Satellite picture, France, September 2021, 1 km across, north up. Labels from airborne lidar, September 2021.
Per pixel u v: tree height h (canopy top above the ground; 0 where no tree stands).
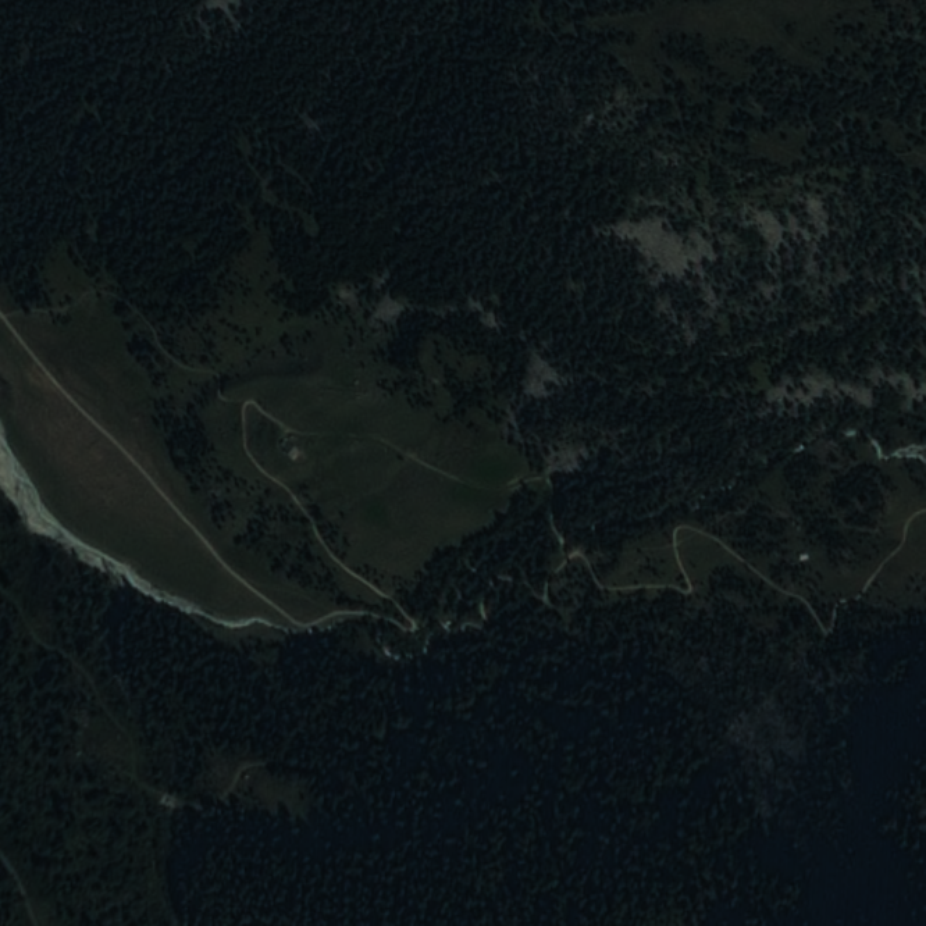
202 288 6
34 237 22
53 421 0
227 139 16
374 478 0
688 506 8
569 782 11
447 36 13
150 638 14
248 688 15
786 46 0
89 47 17
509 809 8
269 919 19
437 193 21
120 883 6
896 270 11
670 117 10
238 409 0
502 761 6
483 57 20
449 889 14
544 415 8
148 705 6
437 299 14
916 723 17
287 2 20
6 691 13
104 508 0
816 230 11
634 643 12
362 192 8
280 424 0
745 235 13
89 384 0
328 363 0
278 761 9
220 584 0
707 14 0
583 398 15
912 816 6
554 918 16
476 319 11
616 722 7
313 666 12
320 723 6
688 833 7
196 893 6
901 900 9
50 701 11
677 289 10
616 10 14
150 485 0
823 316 10
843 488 6
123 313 15
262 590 0
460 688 6
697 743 10
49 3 17
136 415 0
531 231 20
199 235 19
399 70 11
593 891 7
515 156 17
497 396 7
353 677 22
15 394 0
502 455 0
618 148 11
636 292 12
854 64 7
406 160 24
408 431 0
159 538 0
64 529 0
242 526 0
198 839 9
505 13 12
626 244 8
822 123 15
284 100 13
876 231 7
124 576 0
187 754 13
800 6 0
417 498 0
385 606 7
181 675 7
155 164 11
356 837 8
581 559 0
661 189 9
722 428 21
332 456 0
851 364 6
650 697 11
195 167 24
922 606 0
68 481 0
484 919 13
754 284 16
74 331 0
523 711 9
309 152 11
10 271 22
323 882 9
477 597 8
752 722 0
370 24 8
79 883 11
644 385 15
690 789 6
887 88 12
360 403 0
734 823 6
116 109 28
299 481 0
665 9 0
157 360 16
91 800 6
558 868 8
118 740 0
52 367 0
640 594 7
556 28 8
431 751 9
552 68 10
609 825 9
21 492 0
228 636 0
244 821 8
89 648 13
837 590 0
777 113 12
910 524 0
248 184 17
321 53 11
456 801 14
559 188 10
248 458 0
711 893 14
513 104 14
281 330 0
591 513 14
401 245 19
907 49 12
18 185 25
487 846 12
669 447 8
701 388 9
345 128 19
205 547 0
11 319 0
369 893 13
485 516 0
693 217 6
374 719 18
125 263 18
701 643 9
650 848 7
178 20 19
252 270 0
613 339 9
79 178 20
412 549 0
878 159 15
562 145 11
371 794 8
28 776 11
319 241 7
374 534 0
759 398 8
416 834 17
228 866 9
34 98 15
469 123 16
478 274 19
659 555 0
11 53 8
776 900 8
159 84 20
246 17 18
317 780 7
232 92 22
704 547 0
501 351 11
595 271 16
